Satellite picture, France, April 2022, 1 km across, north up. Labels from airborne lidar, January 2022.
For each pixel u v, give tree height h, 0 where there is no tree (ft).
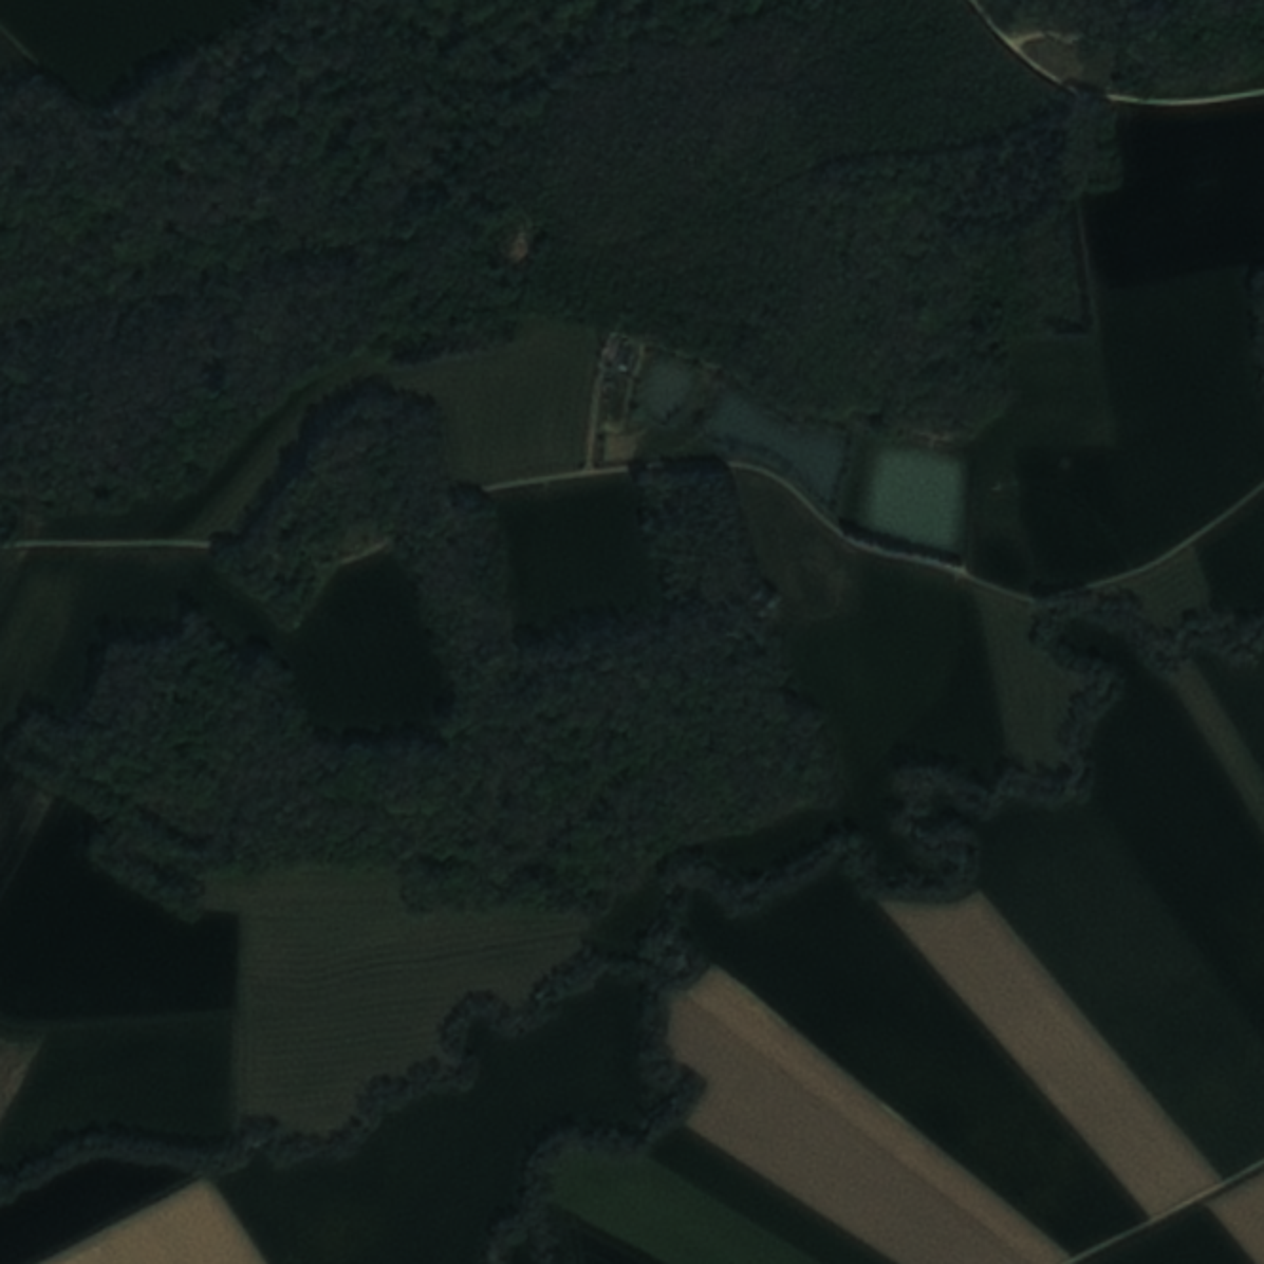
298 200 100
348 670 0
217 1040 0
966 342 81
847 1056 0
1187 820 0
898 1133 0
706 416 37
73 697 0
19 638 0
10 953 0
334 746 71
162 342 122
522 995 0
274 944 0
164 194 94
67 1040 0
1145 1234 0
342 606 0
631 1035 0
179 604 0
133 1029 0
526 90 51
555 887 70
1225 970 0
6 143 104
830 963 0
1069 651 47
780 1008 0
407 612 0
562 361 0
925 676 0
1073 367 0
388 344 87
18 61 0
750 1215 0
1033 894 0
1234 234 0
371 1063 0
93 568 0
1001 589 0
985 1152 0
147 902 0
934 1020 0
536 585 0
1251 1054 0
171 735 92
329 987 0
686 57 77
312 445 65
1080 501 0
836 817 0
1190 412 0
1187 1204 0
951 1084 0
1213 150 0
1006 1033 0
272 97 104
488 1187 0
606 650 98
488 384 0
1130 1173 0
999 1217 0
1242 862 0
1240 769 0
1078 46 0
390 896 0
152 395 115
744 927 0
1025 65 39
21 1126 0
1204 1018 0
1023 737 0
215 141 96
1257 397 0
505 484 0
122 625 0
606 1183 0
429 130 81
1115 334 0
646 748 88
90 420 94
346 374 0
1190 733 0
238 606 0
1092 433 0
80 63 0
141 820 79
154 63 0
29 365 110
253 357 104
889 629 0
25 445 103
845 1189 0
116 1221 0
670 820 80
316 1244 0
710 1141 0
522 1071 0
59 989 0
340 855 73
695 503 56
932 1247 0
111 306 100
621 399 0
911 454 0
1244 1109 0
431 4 85
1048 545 0
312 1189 0
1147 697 0
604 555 0
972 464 0
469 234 101
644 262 50
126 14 0
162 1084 0
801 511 0
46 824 0
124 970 0
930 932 0
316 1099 0
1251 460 0
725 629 95
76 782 65
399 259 96
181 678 101
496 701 91
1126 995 0
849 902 0
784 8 64
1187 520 0
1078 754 66
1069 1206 0
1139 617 60
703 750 84
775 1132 0
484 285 70
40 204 94
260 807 105
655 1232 0
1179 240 0
